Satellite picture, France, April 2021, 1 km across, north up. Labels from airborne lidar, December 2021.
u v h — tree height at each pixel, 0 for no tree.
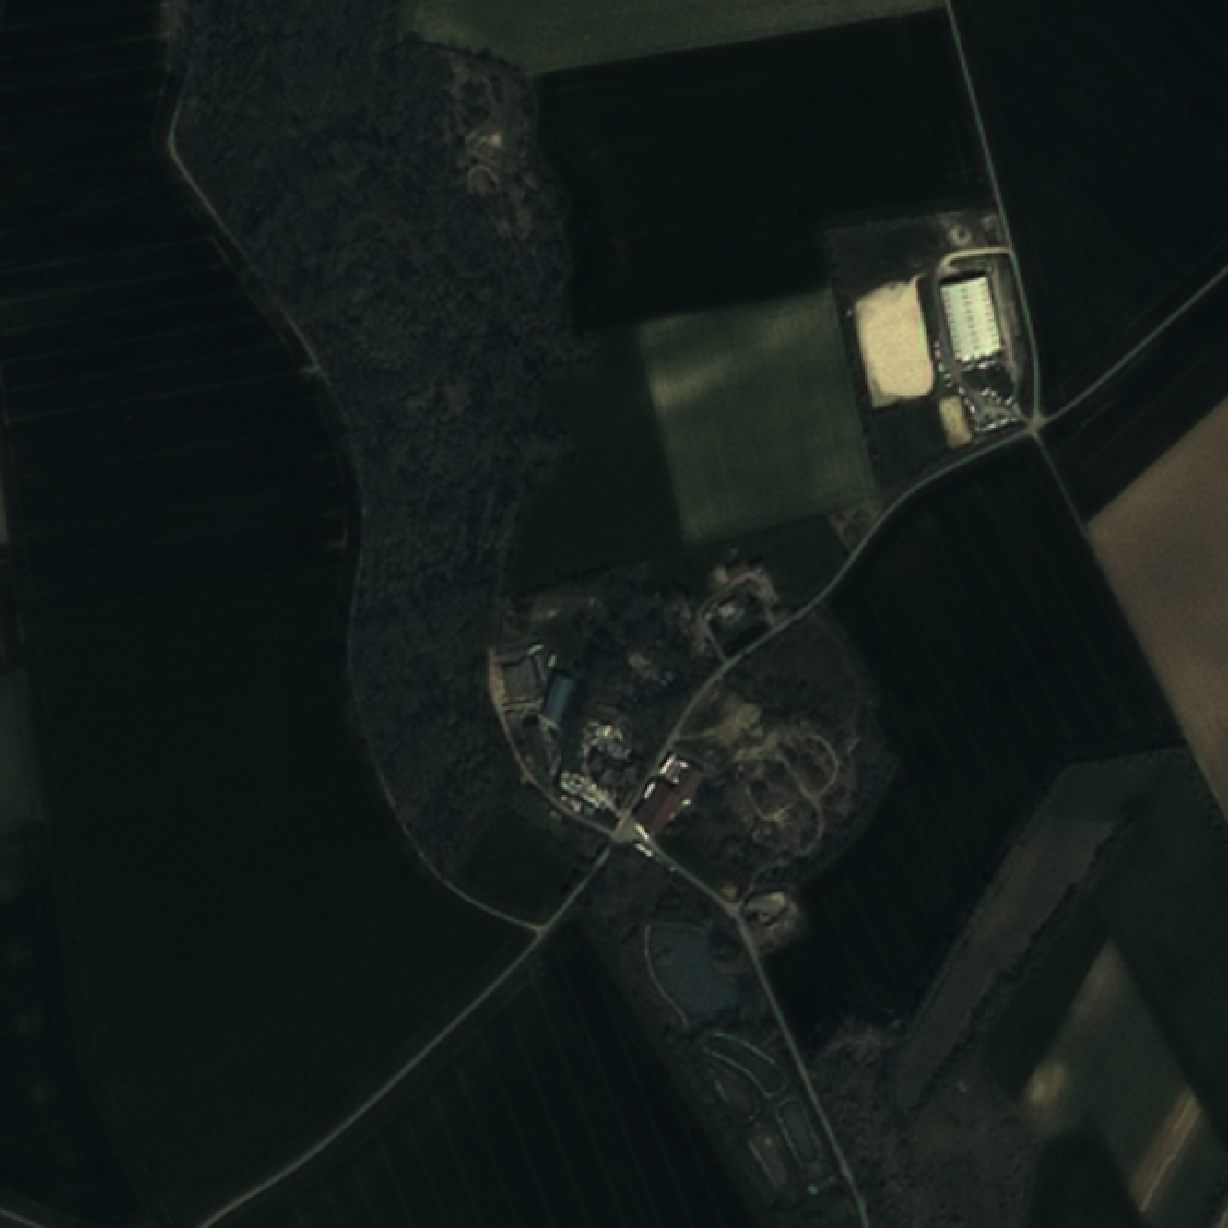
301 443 0
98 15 0
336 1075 0
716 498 0
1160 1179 0
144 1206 0
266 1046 0
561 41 0
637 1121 0
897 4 0
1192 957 0
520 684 0
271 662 0
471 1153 0
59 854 0
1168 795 0
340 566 0
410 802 23
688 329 0
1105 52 0
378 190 40
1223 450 0
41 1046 0
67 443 0
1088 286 0
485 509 24
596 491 0
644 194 0
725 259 0
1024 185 0
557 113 0
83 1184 0
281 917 0
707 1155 0
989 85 0
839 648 0
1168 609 0
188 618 0
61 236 0
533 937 0
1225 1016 0
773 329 0
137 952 0
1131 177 0
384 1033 0
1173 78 0
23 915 0
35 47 0
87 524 0
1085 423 0
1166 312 0
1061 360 0
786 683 0
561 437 20
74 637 0
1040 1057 0
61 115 0
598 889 24
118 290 0
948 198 0
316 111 35
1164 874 0
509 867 0
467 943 0
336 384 28
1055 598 0
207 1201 0
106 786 0
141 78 0
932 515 0
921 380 0
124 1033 0
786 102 0
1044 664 0
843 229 0
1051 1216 0
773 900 0
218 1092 0
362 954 0
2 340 0
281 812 0
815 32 0
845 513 0
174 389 0
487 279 21
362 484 29
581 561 0
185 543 0
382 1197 0
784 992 0
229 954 0
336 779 0
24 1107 0
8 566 0
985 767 0
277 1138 0
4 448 0
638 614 21
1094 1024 0
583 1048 0
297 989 0
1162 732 0
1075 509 0
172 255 0
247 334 0
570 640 0
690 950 0
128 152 0
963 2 0
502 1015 0
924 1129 0
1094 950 0
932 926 0
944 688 0
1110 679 0
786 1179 0
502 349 37
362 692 35
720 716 0
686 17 0
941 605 0
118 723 0
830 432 0
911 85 0
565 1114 0
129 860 0
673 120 0
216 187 12
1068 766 10
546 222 16
